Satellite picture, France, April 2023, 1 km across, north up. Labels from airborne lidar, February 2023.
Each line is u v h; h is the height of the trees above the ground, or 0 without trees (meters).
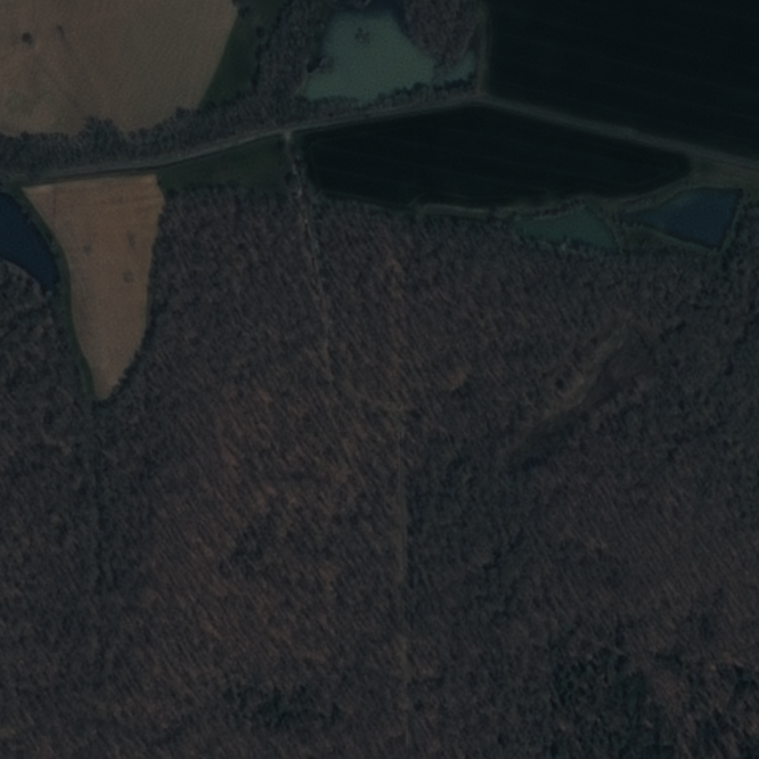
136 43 0
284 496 28
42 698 16
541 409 25
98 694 26
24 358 19
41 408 11
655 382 0
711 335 20
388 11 0
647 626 24
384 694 19
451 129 0
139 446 22
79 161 23
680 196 0
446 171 0
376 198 0
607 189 0
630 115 0
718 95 0
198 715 25
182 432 24
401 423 0
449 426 21
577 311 27
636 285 21
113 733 23
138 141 17
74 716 24
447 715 22
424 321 20
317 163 0
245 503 27
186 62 0
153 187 0
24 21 0
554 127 0
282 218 19
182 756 25
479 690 27
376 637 26
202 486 26
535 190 0
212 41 0
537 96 0
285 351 20
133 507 6
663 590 27
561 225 0
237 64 0
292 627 19
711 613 23
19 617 20
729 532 18
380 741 22
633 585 26
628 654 24
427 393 21
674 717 23
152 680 27
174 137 18
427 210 0
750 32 0
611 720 16
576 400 0
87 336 0
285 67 21
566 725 20
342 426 28
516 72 0
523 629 29
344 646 26
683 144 0
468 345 21
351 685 20
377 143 0
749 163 0
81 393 16
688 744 21
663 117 0
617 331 0
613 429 20
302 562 25
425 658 24
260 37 12
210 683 27
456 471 17
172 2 0
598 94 0
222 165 0
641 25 0
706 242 0
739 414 20
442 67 5
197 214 20
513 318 22
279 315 21
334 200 0
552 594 23
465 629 26
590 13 0
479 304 23
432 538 22
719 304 21
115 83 0
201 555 23
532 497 23
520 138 0
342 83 0
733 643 24
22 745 23
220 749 23
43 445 23
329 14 0
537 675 22
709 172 0
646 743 17
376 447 23
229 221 24
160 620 24
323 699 25
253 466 23
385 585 24
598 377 0
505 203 0
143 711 25
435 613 26
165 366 21
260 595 29
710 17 0
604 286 24
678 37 0
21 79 0
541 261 22
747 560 24
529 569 25
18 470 21
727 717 21
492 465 21
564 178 0
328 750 24
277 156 0
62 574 23
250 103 24
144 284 0
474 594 25
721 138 0
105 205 0
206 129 22
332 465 27
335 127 0
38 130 0
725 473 23
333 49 0
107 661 21
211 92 0
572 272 25
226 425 26
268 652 27
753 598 25
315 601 26
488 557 11
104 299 0
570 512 19
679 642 16
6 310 21
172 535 24
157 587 24
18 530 27
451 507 21
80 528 17
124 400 20
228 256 20
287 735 22
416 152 0
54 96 0
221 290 22
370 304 25
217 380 22
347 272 21
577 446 18
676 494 25
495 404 22
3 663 22
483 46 0
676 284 24
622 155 0
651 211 0
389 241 23
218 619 26
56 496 21
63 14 0
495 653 22
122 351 0
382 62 0
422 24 19
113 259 0
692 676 22
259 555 9
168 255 17
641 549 28
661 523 28
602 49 0
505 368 23
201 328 20
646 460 24
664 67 0
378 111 16
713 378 19
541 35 0
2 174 19
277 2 0
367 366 23
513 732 23
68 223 0
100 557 19
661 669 23
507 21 0
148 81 0
